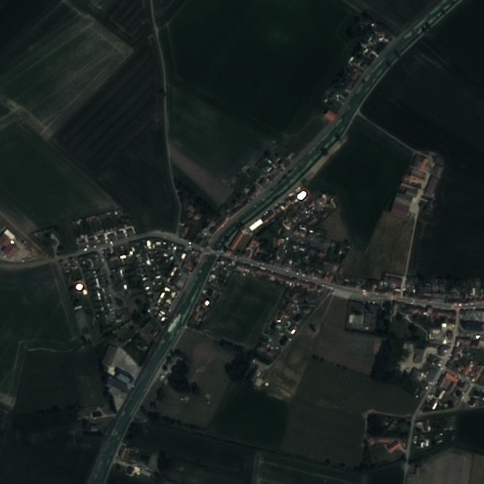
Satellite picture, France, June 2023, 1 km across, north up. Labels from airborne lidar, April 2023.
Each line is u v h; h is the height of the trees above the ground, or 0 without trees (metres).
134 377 0
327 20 0
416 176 0
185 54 0
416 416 0
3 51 0
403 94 0
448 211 0
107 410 0
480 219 0
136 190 0
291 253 0
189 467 0
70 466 0
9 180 0
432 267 0
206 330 0
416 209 0
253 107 0
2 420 0
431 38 0
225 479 0
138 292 0
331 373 0
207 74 0
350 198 0
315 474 0
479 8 0
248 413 0
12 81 0
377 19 0
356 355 0
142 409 8
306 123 0
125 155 0
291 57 0
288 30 0
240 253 8
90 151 0
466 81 0
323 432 0
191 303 0
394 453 0
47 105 0
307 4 0
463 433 0
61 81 0
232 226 0
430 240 0
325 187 0
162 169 0
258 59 0
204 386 0
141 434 0
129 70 0
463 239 0
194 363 0
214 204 0
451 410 0
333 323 0
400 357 0
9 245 0
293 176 0
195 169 0
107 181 0
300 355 0
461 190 0
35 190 0
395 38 0
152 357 0
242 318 0
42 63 0
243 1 0
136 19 0
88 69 0
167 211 0
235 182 0
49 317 0
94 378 0
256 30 0
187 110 0
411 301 0
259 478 0
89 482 0
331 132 0
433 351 0
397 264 0
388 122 0
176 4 0
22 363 0
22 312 0
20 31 0
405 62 0
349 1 0
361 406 0
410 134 0
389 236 0
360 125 0
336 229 0
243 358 16
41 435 0
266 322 0
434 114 0
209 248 0
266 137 0
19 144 0
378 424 7
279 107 0
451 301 0
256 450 0
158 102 0
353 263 0
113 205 0
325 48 0
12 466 0
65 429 0
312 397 0
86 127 0
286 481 0
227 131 0
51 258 0
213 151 0
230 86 0
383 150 0
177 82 0
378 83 0
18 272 0
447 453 0
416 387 0
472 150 0
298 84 0
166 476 0
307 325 0
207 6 0
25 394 0
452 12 0
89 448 0
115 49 0
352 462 0
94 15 0
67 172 0
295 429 0
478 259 0
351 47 0
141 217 0
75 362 0
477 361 0
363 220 0
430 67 0
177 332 0
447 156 0
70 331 0
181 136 0
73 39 0
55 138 0
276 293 0
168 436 0
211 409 0
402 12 0
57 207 0
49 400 0
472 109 0
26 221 0
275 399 0
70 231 0
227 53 0
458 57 0
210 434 0
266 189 0
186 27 0
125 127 0
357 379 0
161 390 11
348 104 0
